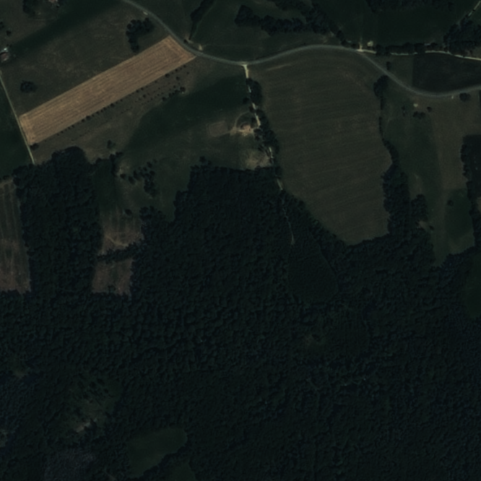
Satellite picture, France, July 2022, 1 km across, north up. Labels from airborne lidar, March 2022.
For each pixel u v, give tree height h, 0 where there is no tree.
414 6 23
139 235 0
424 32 0
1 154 0
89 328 29
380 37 0
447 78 0
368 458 26
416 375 31
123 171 0
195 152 0
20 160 0
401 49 13
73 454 22
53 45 0
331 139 0
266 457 29
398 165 11
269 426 29
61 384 31
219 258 23
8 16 0
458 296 26
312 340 0
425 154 0
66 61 0
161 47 0
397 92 0
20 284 0
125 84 0
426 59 0
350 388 8
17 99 0
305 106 0
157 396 15
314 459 22
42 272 20
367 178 0
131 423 18
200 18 14
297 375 31
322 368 32
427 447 28
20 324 20
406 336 6
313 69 0
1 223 0
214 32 0
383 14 0
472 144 0
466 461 22
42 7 0
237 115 0
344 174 0
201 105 0
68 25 0
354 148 0
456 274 23
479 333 27
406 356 27
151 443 0
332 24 18
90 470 25
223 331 31
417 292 20
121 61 0
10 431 30
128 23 0
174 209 0
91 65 0
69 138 0
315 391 26
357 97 0
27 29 0
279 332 30
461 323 24
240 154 0
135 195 0
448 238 0
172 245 26
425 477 29
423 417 29
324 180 0
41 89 0
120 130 0
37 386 32
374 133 0
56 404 30
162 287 25
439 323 22
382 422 25
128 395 15
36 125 0
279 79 0
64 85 0
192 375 15
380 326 23
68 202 26
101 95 0
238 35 0
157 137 0
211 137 0
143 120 0
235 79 0
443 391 34
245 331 31
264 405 23
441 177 0
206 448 15
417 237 23
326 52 0
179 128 0
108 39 0
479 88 0
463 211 0
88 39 0
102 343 24
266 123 14
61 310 29
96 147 0
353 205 0
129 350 30
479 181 0
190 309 33
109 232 0
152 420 17
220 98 0
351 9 0
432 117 0
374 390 27
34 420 31
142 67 0
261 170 20
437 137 0
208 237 24
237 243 24
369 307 9
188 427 18
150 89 0
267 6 0
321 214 0
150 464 0
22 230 0
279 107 0
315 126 0
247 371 21
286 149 0
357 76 0
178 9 0
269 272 22
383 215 0
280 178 24
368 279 26
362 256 23
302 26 26
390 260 25
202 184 24
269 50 0
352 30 0
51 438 29
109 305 28
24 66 0
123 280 0
